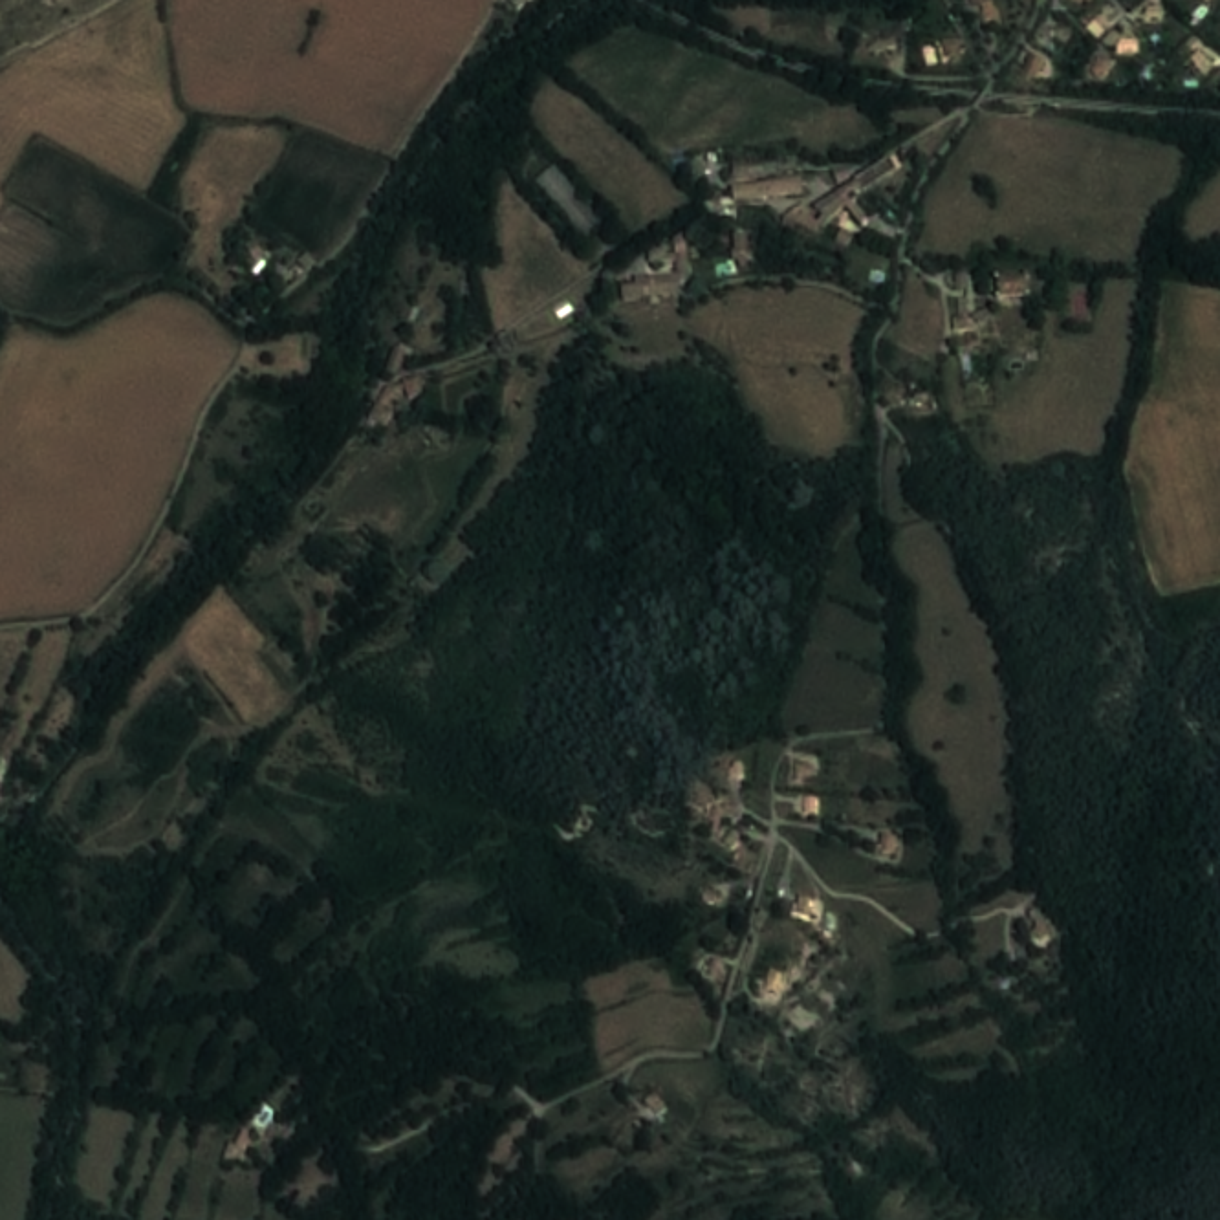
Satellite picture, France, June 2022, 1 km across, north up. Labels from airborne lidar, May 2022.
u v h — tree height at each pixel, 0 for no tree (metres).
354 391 12
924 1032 9
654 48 0
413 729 8
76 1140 8
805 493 22
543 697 10
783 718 9
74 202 0
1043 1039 7
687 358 10
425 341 0
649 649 15
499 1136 7
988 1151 19
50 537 0
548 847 16
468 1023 10
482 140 8
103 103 0
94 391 0
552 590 13
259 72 0
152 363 0
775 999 0
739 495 13
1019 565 8
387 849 6
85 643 0
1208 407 0
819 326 0
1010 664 11
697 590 21
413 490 0
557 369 15
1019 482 9
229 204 0
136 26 0
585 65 0
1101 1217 11
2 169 0
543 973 6
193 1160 0
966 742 0
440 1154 15
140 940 8
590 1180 0
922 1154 7
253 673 0
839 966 0
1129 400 11
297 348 0
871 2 15
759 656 14
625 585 17
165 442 0
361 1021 15
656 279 0
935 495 10
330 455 11
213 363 0
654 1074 0
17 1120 0
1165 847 16
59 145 0
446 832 7
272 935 16
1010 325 0
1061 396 0
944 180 0
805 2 12
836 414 0
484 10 0
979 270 14
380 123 0
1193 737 7
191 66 0
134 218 0
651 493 23
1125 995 16
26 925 13
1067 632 13
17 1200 0
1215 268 19
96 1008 15
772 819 0
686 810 5
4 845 15
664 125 0
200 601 7
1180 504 0
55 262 0
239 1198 0
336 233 0
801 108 0
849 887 0
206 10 0
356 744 7
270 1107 0
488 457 14
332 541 12
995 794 0
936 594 0
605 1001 0
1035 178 0
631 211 0
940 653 0
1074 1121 9
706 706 11
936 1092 16
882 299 7
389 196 22
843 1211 12
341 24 0
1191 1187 20
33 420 0
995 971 6
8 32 0
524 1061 12
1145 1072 15
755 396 0
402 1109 14
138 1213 10
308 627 0
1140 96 8
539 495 6
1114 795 11
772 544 10
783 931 0
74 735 21
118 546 0
